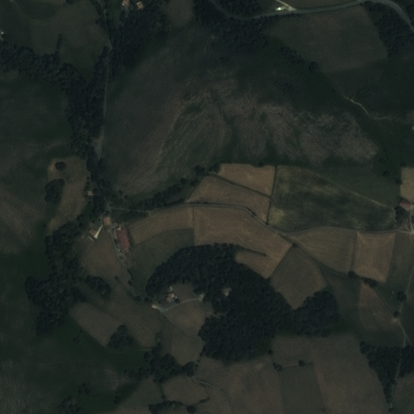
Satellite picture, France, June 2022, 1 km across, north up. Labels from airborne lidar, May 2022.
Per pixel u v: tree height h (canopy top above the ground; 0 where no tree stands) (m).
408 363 13
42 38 0
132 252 0
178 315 0
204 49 0
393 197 0
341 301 0
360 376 0
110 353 0
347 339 0
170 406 18
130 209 8
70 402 19
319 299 18
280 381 0
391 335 0
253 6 15
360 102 0
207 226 0
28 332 0
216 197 0
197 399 0
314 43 0
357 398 0
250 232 0
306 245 0
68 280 19
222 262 16
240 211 0
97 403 0
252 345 25
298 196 0
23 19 0
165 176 0
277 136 0
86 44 0
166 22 17
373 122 0
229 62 7
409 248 0
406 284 0
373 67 0
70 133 0
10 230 0
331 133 0
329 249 0
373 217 0
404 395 0
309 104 0
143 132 0
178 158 0
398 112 0
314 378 0
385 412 0
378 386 0
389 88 0
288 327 26
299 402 0
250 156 0
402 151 0
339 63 0
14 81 0
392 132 0
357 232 0
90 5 0
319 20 0
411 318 0
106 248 0
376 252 0
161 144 0
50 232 0
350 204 0
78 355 0
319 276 0
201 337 16
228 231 0
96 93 21
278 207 0
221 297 19
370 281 13
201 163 0
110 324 0
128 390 0
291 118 0
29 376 0
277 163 0
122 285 0
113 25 12
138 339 0
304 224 0
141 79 0
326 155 0
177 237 0
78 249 0
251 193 0
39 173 0
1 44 10
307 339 0
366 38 0
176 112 0
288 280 0
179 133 0
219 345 7
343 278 0
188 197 0
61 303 19
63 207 0
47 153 0
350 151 0
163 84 0
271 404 0
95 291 8
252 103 0
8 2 0
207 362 0
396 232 0
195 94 0
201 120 0
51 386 0
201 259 25
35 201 0
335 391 0
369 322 0
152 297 14
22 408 0
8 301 0
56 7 0
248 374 0
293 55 15
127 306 0
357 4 0
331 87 0
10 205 0
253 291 20
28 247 0
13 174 0
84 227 10
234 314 21
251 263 0
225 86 0
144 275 0
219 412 0
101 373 0
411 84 0
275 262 0
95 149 10
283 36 0
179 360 0
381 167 0
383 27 7
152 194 0
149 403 0
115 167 0
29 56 20
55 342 0
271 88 0
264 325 23
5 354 0
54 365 0
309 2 0
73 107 13
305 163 0
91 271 0
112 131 0
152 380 0
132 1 8
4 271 0
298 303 0
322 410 0
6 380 0
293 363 0
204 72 0
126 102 0
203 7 19
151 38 11
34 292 18
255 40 14
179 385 0
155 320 0
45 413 0
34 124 0
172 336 0
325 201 0
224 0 21
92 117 19
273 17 13
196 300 0
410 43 12
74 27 0
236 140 0
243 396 0
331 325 13
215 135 0
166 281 18
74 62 0
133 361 0
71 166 0
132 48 20
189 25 0
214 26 8
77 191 0
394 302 0
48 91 0
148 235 0
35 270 0
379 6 18
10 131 0
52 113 0
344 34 0
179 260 19
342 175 0
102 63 15
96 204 13
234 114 0
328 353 0
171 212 0
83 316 0
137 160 0
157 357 12
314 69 13
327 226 0
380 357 8
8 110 0
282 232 0
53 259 17
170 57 0
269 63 0
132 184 0
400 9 0
